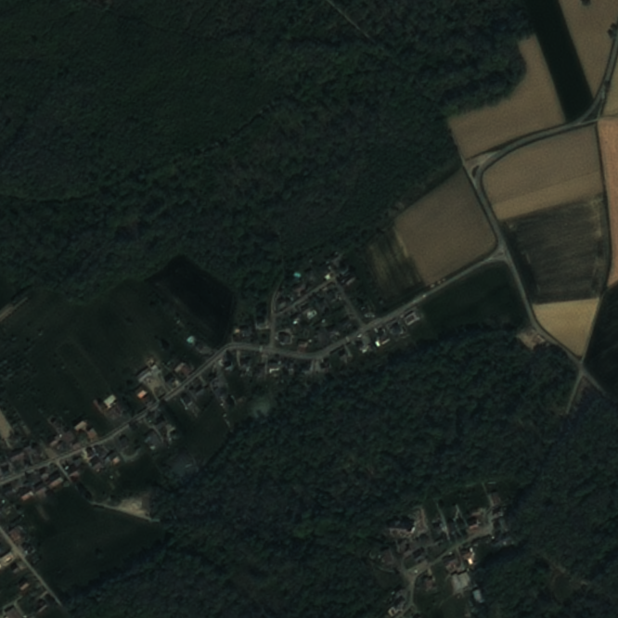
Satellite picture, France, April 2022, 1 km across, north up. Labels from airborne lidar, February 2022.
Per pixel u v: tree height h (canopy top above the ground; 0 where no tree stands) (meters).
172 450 0
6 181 27
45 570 0
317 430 25
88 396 0
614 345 0
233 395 0
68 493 0
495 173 0
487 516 0
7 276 17
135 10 7
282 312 0
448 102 32
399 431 22
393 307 0
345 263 8
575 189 0
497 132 0
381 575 0
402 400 30
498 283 0
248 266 30
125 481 0
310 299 6
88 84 18
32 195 23
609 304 0
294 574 24
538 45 0
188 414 0
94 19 9
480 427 30
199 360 0
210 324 0
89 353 0
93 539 0
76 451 0
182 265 0
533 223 0
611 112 0
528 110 0
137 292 0
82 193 23
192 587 30
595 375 0
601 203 0
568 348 0
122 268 30
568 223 0
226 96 11
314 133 31
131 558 0
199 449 0
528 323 0
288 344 0
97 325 0
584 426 35
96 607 25
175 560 27
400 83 23
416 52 28
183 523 25
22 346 0
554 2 0
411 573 0
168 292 0
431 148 23
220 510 26
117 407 0
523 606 25
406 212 0
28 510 0
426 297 0
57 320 0
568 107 0
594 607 27
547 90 0
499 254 0
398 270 0
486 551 0
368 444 28
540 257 0
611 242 0
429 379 27
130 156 23
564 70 0
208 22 6
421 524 0
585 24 0
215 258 27
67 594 0
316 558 26
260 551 29
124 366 0
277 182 32
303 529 29
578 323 0
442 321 0
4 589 0
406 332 0
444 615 0
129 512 0
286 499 27
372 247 0
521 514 26
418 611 0
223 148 30
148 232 28
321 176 27
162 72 11
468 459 30
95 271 30
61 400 0
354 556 16
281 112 27
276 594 0
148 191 25
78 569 0
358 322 0
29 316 0
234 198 28
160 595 33
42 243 28
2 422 0
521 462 25
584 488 31
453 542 17
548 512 32
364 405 25
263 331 0
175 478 12
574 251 0
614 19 0
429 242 0
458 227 0
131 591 27
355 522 25
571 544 33
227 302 0
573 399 0
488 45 31
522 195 0
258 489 27
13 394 0
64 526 0
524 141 0
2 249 31
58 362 0
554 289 0
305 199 23
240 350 0
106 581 19
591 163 0
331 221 19
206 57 8
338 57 27
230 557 23
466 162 0
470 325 0
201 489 27
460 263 0
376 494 34
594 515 32
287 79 19
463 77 33
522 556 25
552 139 0
